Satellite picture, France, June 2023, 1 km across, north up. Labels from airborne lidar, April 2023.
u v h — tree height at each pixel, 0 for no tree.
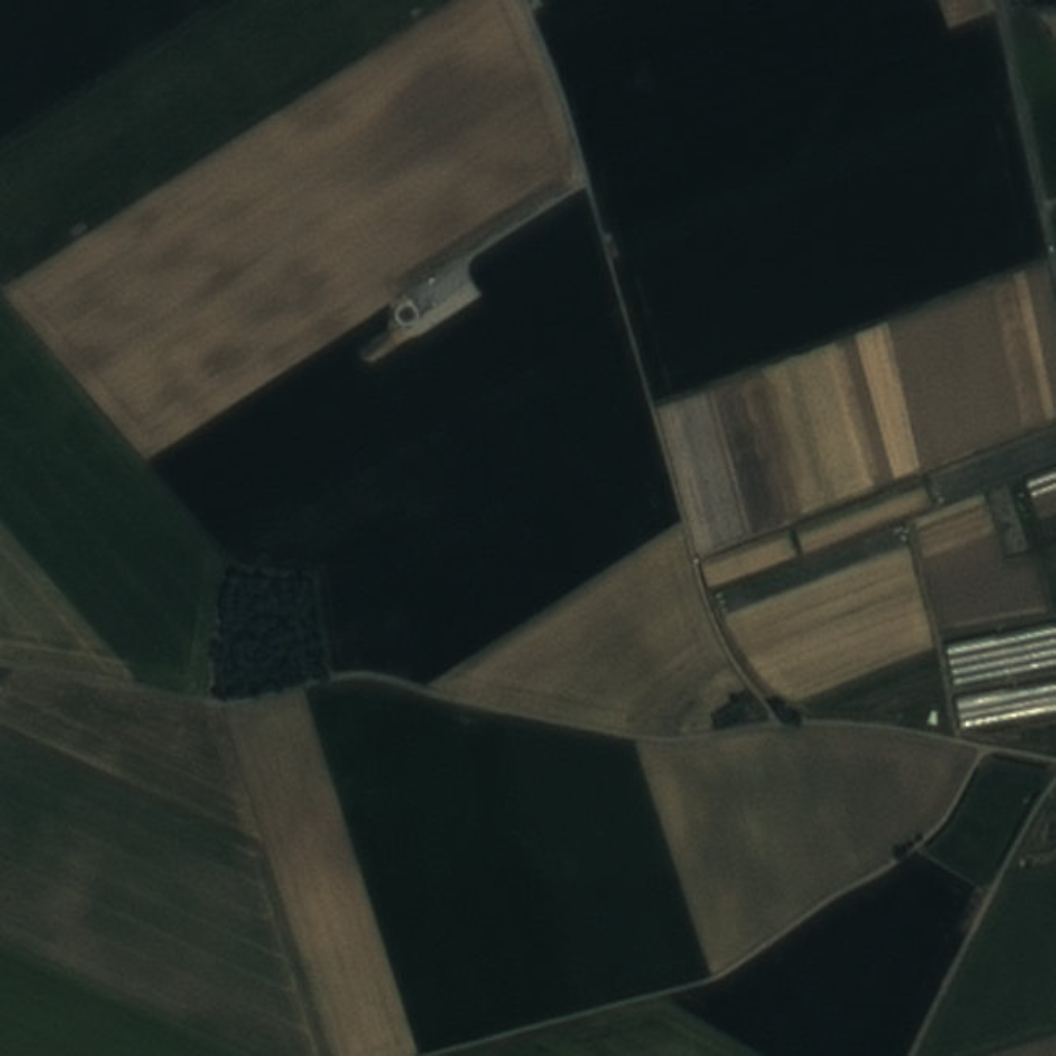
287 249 0
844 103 0
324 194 0
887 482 0
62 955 0
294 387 0
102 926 0
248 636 19
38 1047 0
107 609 0
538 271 0
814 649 0
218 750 0
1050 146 0
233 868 0
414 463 0
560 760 0
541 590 0
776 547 0
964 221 0
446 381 0
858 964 0
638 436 0
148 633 0
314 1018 0
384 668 0
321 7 0
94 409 0
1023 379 0
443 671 0
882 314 0
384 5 0
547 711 0
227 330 0
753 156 0
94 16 0
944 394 0
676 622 0
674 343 0
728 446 0
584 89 0
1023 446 0
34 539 0
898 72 0
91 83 0
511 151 0
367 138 0
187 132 0
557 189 0
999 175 0
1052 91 0
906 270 0
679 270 0
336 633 0
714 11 0
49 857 0
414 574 0
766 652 0
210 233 0
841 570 0
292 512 0
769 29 0
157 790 0
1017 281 0
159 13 0
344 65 0
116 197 0
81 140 0
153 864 0
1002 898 0
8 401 0
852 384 0
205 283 0
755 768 0
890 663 0
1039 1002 0
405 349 0
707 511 0
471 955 0
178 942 0
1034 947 0
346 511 0
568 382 0
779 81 0
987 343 0
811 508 0
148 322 0
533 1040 0
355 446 0
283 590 19
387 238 0
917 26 0
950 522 0
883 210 0
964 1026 0
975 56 0
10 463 0
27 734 0
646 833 0
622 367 0
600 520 0
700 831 0
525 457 0
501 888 0
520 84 0
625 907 0
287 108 0
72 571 0
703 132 0
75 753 0
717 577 0
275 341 0
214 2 0
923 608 0
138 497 0
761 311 0
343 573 0
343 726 0
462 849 0
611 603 0
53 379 0
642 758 0
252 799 0
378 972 0
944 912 0
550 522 0
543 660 0
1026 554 0
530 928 0
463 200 0
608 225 0
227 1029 0
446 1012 0
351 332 0
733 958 0
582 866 0
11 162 0
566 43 0
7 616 0
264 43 0
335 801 0
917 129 0
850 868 0
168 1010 0
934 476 0
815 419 0
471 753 0
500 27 0
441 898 0
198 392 0
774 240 0
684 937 0
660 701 0
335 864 0
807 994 0
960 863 0
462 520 0
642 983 0
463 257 0
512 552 0
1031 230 0
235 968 0
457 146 0
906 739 0
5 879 0
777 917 0
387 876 0
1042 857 0
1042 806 0
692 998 0
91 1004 0
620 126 0
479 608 0
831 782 0
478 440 0
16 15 0
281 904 0
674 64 0
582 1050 0
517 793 0
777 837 0
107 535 0
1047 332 0
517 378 0
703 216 0
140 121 0
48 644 0
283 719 0
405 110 0
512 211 0
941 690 0
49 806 0
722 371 0
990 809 0
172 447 0
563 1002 0
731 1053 0
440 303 0
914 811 0
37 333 0
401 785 0
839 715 0
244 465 0
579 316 0
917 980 0
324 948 0
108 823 0
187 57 0
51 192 0
